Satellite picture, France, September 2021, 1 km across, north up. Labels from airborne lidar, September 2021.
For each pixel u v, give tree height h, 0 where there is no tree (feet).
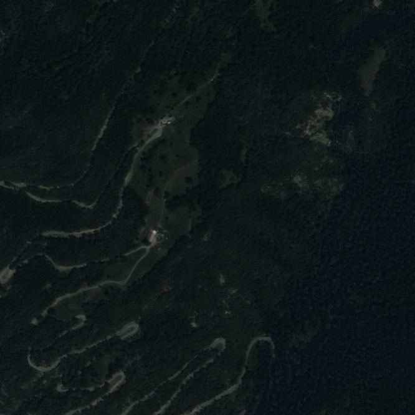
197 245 29
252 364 0
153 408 45
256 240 81
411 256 70
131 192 70
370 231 67
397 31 68
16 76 83
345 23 62
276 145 60
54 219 67
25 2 76
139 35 70
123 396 38
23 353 53
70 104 63
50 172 52
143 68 57
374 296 55
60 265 34
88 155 42
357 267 73
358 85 30
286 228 72
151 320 49
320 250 52
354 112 44
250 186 60
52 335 34
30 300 55
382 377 61
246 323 39
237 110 53
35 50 56
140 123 55
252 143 25
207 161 32
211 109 50
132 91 78
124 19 64
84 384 31
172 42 66
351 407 41
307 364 88
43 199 26
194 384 53
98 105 48
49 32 54
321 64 65
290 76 66
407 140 55
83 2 82
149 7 73
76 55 57
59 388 0
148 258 0
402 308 97
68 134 42
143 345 71
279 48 77
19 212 67
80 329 26
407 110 106
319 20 104
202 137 42
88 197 54
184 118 0
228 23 47
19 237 41
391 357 85
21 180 24
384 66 42
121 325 26
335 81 49
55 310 45
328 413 27
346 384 75
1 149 49
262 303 62
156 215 0
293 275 51
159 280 49
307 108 55
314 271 46
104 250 47
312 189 34
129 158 63
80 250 54
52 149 38
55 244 75
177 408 37
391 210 99
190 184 55
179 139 0
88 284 29
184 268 45
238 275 50
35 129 41
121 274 0
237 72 72
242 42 79
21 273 47
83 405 22
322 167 25
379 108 50
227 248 54
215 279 45
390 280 56
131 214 40
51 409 47
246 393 43
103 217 42
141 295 47
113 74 63
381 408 90
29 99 42
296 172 25
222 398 39
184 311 48
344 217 77
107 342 46
